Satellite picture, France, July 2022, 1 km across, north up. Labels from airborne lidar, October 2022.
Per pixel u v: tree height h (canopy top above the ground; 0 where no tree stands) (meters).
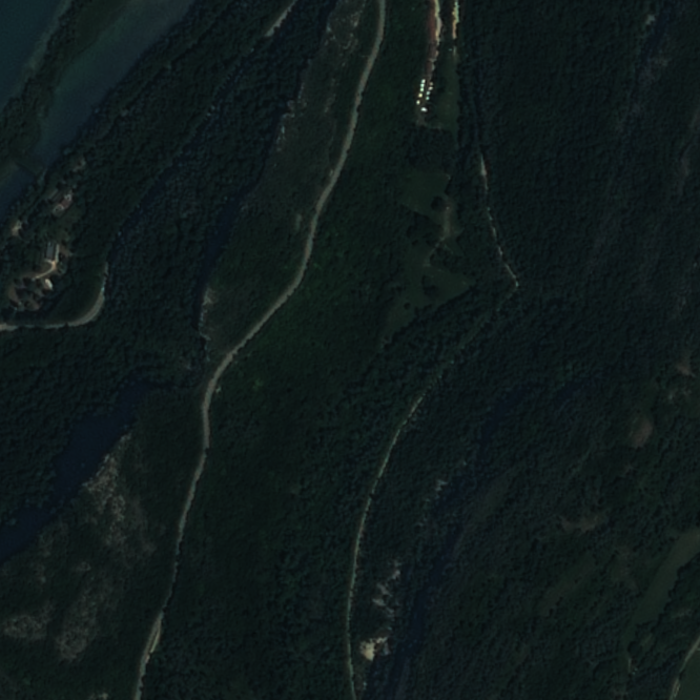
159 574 14
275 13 11
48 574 9
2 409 17
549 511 20
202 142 16
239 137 16
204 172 23
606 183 12
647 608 0
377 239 19
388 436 6
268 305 10
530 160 13
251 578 24
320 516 8
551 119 8
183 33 18
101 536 7
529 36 16
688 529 19
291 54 12
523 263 14
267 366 12
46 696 15
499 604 11
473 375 11
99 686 14
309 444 8
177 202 25
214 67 8
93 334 12
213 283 8
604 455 11
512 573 14
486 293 10
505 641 13
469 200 13
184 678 30
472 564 16
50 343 13
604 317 19
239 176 11
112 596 7
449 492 9
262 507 16
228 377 11
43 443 19
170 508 16
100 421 23
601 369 12
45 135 0
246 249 18
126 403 16
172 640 21
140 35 0
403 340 19
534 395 7
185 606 16
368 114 11
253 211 13
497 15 13
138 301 10
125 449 9
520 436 16
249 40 14
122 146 17
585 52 16
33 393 18
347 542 14
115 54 0
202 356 10
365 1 24
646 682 24
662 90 6
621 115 9
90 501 7
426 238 12
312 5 17
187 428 14
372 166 12
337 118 15
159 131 19
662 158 7
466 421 7
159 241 19
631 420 7
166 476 13
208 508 14
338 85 12
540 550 20
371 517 6
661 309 10
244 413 15
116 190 20
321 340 15
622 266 11
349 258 16
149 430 15
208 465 15
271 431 16
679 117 10
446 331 18
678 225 9
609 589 13
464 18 6
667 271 10
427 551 6
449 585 12
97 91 0
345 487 6
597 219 8
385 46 11
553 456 8
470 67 13
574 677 17
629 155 7
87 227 12
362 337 20
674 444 19
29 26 0
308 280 11
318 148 6
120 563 7
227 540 14
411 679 6
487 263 8
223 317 7
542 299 13
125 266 23
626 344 16
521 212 9
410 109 8
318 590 22
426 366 9
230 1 13
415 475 6
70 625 6
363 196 9
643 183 10
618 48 15
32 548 8
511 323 8
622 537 16
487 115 27
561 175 13
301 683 8
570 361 15
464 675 22
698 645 0
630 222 7
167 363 12
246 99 18
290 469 19
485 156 7
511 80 14
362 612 12
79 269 11
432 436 6
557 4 9
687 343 17
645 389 11
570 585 0
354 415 9
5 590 15
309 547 12
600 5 11
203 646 25
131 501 7
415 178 0
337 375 28
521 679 17
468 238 9
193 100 17
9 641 16
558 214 13
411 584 7
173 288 12
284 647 24
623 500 15
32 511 24
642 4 13
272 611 22
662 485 6
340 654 16
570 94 12
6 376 15
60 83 0
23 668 17
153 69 16
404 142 11
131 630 16
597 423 15
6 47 0
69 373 16
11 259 9
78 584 11
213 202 19
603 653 12
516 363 9
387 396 8
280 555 10
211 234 17
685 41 6
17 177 0
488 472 7
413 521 6
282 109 10
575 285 10
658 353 8
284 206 9
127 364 16
